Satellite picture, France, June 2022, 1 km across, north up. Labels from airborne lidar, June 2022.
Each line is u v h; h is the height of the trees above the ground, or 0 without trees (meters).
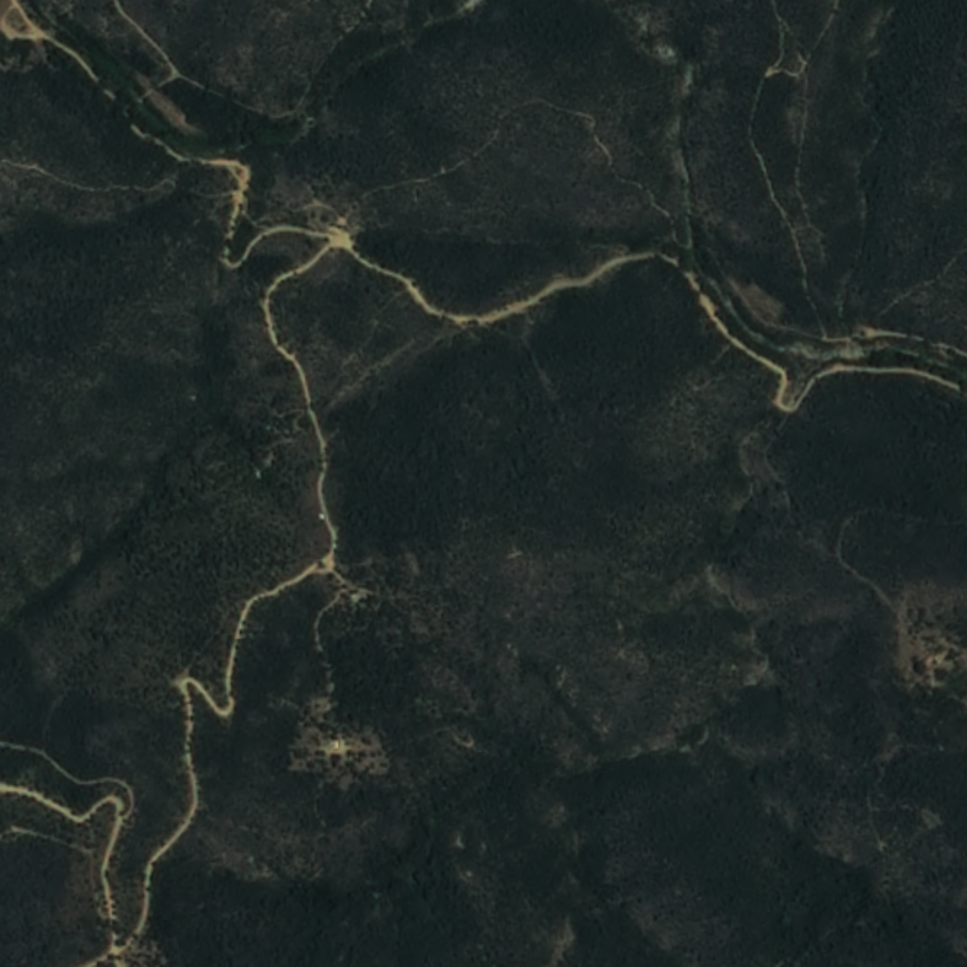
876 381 6
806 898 11
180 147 6
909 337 8
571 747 0
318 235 0
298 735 6
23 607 6
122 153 9
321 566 6
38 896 7
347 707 10
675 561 11
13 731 6
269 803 7
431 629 7
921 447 8
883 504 9
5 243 12
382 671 11
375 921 7
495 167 0
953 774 6
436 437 9
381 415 7
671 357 6
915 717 8
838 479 8
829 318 7
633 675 7
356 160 7
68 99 5
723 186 6
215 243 6
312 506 0
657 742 0
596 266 0
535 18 6
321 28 6
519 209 8
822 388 6
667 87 7
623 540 8
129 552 7
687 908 7
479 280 6
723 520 11
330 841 8
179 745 5
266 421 7
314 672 7
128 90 6
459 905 7
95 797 7
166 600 6
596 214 0
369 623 8
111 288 7
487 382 7
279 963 11
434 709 8
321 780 8
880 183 10
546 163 0
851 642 9
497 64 6
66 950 6
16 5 0
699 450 7
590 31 7
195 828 7
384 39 10
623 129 6
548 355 6
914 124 6
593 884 6
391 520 6
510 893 6
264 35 8
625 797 7
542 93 0
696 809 7
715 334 9
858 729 7
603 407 9
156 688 6
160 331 6
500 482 8
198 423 9
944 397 7
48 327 8
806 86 0
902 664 0
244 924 5
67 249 9
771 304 0
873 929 8
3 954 8
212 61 7
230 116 6
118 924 8
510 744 7
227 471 6
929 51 6
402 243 11
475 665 6
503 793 7
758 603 0
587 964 7
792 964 8
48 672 0
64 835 9
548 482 6
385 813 8
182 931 9
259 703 6
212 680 7
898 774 8
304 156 8
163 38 0
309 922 8
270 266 6
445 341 6
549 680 8
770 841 8
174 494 9
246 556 6
